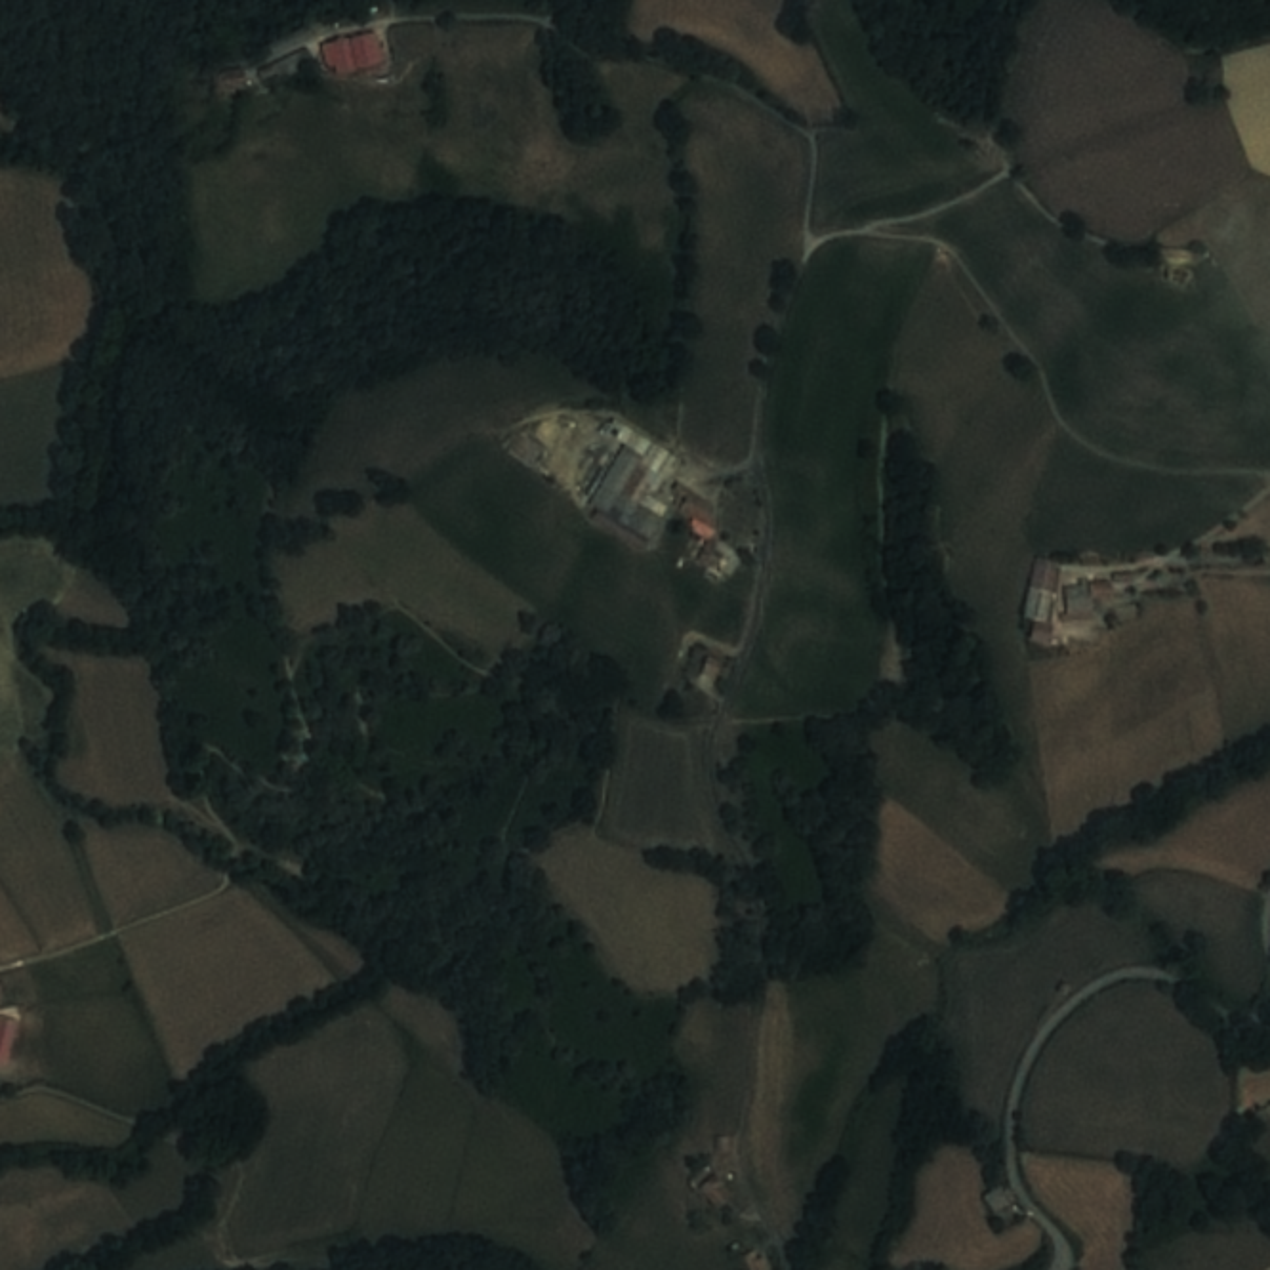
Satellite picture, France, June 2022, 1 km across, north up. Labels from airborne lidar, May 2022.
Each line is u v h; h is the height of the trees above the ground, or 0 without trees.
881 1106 0
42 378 0
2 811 0
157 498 16
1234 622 0
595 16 16
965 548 0
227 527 0
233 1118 22
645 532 0
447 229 34
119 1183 14
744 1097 0
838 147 0
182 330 25
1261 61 0
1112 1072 0
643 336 10
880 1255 9
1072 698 0
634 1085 12
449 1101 0
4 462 0
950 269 0
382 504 13
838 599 0
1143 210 0
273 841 19
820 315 0
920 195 0
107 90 13
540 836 13
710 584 0
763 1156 0
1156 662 0
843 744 16
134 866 0
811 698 0
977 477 0
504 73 0
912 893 0
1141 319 0
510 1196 0
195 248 7
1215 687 0
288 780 12
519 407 0
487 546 0
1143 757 0
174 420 19
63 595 0
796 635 0
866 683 0
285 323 14
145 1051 0
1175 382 0
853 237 0
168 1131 16
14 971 0
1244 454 0
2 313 0
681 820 0
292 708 13
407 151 0
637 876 0
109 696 0
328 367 14
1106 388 0
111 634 14
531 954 16
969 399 0
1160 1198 18
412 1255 29
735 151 0
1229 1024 17
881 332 0
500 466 0
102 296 6
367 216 23
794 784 14
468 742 7
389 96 0
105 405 11
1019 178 12
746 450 0
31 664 13
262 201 0
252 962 0
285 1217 0
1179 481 0
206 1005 0
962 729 22
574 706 26
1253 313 0
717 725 0
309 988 0
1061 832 0
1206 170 0
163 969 0
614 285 22
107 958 0
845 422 0
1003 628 0
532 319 16
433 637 0
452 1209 0
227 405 20
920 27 19
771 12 0
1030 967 0
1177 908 0
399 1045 0
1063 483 0
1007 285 0
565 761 14
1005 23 19
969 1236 0
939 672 11
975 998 0
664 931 0
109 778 0
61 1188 0
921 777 0
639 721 0
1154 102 0
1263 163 0
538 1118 0
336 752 19
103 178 26
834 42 0
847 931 18
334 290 17
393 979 21
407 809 19
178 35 20
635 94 0
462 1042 0
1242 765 15
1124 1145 0
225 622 11
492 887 15
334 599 0
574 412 0
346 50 0
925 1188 0
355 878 13
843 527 0
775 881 18
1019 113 0
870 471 0
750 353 0
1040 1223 0
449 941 19
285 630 13
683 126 22
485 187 0
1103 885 23
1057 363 0
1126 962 0
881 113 0
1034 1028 0
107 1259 21
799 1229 9
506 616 0
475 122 0
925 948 0
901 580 14
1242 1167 22
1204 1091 0
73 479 20
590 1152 10
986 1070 0
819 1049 0
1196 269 0
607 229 0
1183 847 0
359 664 14
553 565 0
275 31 15
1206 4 25
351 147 0
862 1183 0
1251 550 16
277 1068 0
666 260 0
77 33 9
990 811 0
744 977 18
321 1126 0
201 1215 17
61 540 12
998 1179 9
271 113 0
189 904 0
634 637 0
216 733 0
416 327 14
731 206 0
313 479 0
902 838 0
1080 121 0
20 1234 0
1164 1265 0
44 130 10
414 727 0
